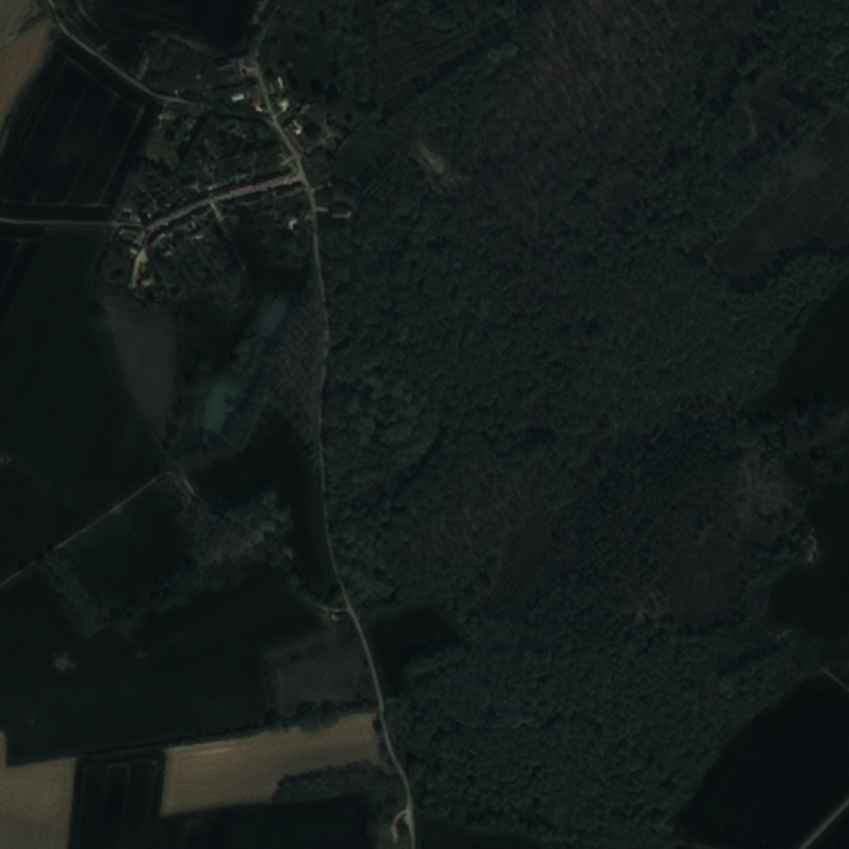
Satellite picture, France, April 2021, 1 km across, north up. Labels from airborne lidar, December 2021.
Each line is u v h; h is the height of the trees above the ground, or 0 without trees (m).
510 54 18
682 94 25
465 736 21
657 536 13
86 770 0
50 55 0
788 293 19
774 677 19
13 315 0
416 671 19
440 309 22
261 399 18
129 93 0
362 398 23
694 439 25
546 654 21
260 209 8
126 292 7
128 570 0
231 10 0
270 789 0
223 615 0
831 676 0
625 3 28
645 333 27
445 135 17
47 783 0
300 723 12
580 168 17
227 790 0
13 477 0
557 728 18
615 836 16
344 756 0
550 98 27
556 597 12
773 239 0
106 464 0
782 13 24
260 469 0
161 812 0
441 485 28
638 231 22
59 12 9
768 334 25
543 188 24
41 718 0
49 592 0
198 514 19
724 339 25
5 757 0
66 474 0
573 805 18
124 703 0
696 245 0
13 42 0
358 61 19
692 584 0
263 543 15
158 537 0
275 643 0
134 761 0
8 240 0
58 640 0
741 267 0
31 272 0
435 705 16
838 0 24
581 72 26
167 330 0
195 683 0
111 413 0
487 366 21
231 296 20
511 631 19
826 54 24
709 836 0
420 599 21
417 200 23
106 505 0
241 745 0
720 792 0
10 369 0
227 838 0
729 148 23
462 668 22
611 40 27
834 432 21
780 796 0
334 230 20
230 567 23
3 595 0
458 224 23
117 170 0
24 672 0
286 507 26
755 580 18
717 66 20
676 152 0
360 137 0
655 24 28
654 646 21
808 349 0
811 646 0
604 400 29
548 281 18
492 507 28
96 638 0
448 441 21
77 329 0
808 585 0
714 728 16
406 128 14
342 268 24
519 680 20
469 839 0
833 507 0
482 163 7
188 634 0
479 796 14
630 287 24
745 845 0
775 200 0
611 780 18
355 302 22
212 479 0
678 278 25
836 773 0
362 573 28
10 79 0
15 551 0
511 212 19
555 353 19
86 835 0
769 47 24
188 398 0
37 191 0
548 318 20
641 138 23
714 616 0
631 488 8
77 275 0
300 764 0
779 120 0
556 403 23
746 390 22
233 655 0
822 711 0
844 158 0
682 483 22
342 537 21
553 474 28
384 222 24
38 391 0
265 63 9
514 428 13
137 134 0
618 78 26
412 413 30
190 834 0
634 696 24
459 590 24
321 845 0
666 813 19
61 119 0
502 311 20
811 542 12
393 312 25
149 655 0
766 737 0
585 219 21
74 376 0
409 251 18
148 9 0
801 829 0
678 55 22
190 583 22
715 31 20
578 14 27
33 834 0
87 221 0
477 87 26
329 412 23
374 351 23
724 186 19
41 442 0
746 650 0
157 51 22
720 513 8
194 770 0
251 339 8
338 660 0
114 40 0
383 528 19
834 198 0
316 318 23
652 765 23
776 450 16
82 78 0
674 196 22
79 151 0
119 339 0
